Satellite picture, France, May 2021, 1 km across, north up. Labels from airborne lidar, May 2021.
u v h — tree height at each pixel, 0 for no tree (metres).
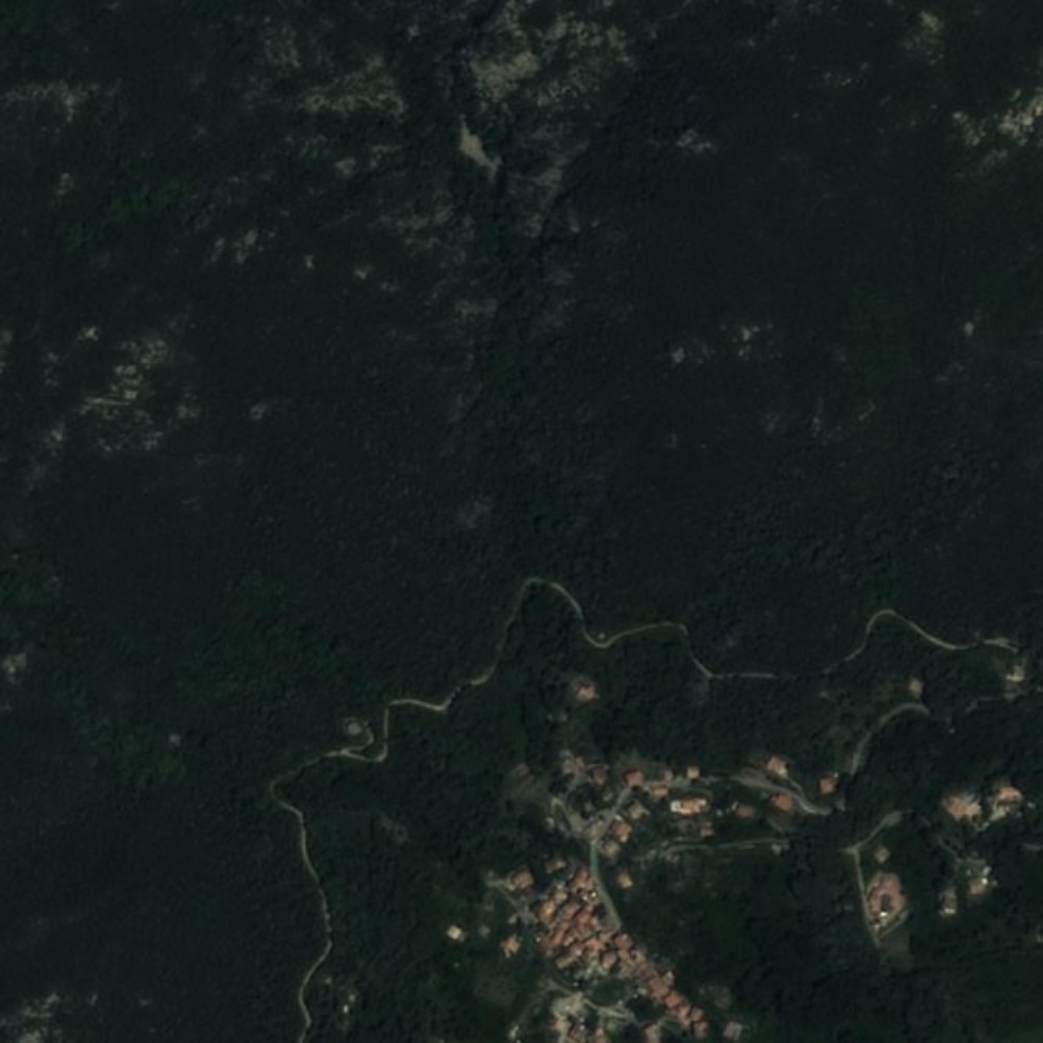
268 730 7
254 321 7
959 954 7
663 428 6
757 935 21
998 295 7
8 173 6
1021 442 7
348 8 7
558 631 8
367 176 10
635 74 6
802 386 8
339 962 7
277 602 6
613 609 9
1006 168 6
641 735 6
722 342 6
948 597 6
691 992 6
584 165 10
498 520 8
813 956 18
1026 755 16
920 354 6
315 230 7
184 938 6
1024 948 6
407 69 16
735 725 8
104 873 8
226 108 6
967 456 7
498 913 0
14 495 6
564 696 14
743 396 6
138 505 8
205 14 12
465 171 16
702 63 7
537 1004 0
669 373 6
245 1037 8
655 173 7
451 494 6
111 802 11
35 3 13
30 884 6
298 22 5
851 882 6
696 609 8
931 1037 13
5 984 6
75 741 8
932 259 6
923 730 9
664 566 6
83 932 6
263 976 10
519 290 8
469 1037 9
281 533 7
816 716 15
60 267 6
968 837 7
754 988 19
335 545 7
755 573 12
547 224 11
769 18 8
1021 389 6
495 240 15
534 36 6
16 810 7
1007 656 13
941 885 15
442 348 6
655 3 7
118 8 6
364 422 7
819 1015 20
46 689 5
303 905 7
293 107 8
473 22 8
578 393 7
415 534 7
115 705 6
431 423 7
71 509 5
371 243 6
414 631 6
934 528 6
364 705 13
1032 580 10
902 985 15
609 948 11
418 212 9
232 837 7
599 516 7
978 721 15
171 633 6
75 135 6
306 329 6
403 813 15
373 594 7
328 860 8
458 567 9
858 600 9
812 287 6
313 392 6
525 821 12
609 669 6
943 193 5
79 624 11
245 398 7
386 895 15
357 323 7
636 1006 8
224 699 12
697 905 9
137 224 8
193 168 12
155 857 7
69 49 7
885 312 6
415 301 6
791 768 9
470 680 8
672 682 11
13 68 7
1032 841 16
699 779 8
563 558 15
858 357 7
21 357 7
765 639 11
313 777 12
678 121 5
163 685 13
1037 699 14
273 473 5
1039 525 9
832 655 7
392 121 11
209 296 8
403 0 14
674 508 6
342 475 6
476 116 13
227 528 6
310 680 9
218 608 6
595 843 0
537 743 14
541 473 8
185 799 6
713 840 11
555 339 9
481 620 11
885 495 6
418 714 11
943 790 12
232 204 7
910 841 5
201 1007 6
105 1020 6
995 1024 7
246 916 6
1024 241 5
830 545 11
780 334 7
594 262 7
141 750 6
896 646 9
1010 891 12
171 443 5
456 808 18
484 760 8
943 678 11
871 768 14
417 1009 5
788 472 8
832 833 7
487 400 15
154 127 5
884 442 6
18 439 7
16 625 6
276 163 12
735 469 5
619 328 7
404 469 7
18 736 7
